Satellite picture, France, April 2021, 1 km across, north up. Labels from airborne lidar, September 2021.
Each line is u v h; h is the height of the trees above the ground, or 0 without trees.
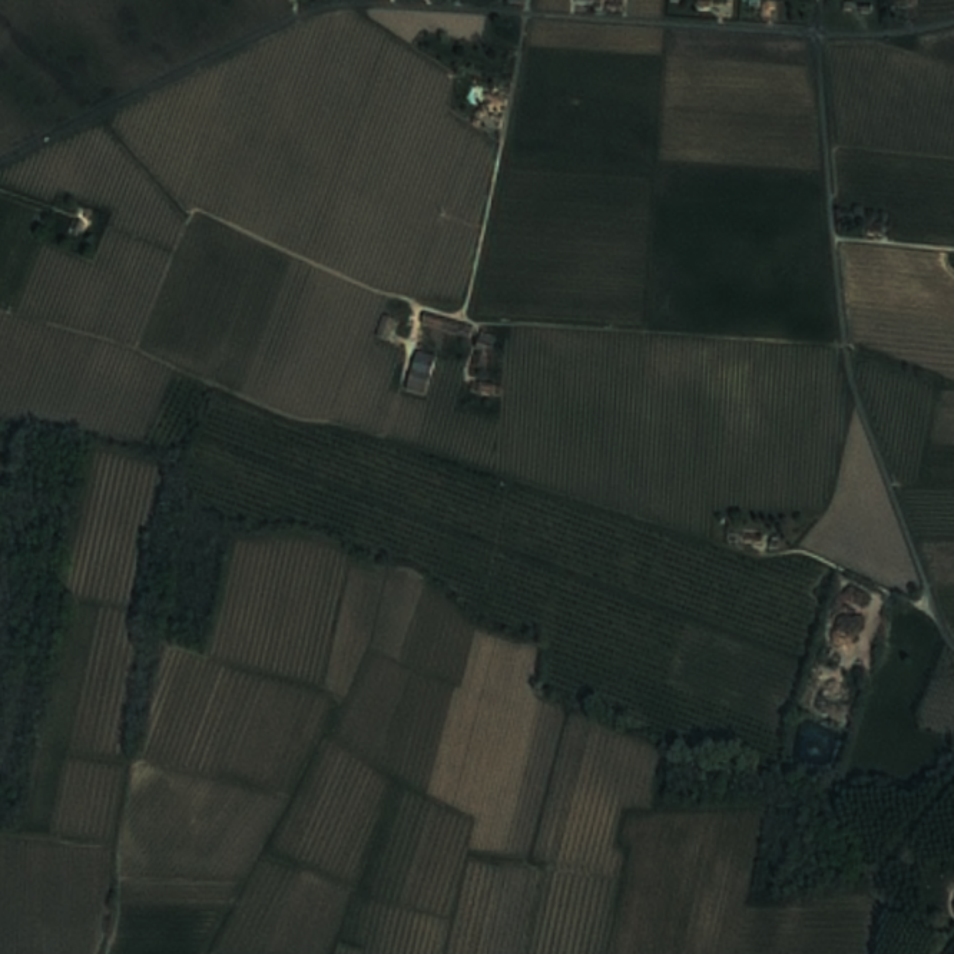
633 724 17
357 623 0
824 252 0
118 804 0
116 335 0
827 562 0
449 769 0
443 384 0
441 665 0
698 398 0
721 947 0
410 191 0
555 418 0
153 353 0
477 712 0
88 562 0
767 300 0
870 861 27
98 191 0
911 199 0
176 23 0
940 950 7
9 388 0
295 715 0
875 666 12
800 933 0
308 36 0
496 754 0
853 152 0
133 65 0
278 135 0
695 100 0
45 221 12
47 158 0
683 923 0
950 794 27
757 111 0
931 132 0
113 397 0
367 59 0
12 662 19
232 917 0
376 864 0
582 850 0
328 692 0
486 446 0
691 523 0
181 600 16
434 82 0
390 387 0
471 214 0
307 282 0
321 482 0
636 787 0
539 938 0
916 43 0
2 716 18
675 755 22
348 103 0
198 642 17
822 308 0
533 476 0
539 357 0
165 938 0
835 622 0
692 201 0
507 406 0
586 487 0
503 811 0
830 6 8
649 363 0
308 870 0
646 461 0
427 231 0
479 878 0
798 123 0
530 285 0
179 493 19
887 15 8
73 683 0
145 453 15
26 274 0
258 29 0
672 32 0
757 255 0
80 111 0
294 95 0
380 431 0
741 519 15
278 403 0
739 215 0
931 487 0
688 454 0
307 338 0
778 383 0
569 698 11
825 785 20
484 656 0
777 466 0
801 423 0
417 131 0
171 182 0
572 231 0
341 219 0
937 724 23
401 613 0
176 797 0
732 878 0
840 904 0
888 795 25
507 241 0
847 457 0
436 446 0
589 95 0
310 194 0
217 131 0
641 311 0
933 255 0
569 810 0
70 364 0
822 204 0
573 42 0
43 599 26
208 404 9
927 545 0
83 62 0
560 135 0
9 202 0
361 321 0
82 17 0
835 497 0
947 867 9
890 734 0
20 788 10
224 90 0
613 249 0
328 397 0
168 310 0
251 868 0
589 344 0
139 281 0
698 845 0
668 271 0
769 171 0
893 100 0
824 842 20
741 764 27
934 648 0
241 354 0
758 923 0
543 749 0
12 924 0
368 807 0
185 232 0
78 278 0
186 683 0
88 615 0
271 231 0
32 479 22
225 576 9
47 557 22
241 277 0
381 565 13
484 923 0
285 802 0
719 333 0
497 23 10
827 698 0
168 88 0
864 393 0
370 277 0
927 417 0
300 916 0
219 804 0
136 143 0
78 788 0
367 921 0
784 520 8
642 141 0
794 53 0
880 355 0
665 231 0
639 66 0
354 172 0
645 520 0
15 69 0
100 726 0
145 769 0
